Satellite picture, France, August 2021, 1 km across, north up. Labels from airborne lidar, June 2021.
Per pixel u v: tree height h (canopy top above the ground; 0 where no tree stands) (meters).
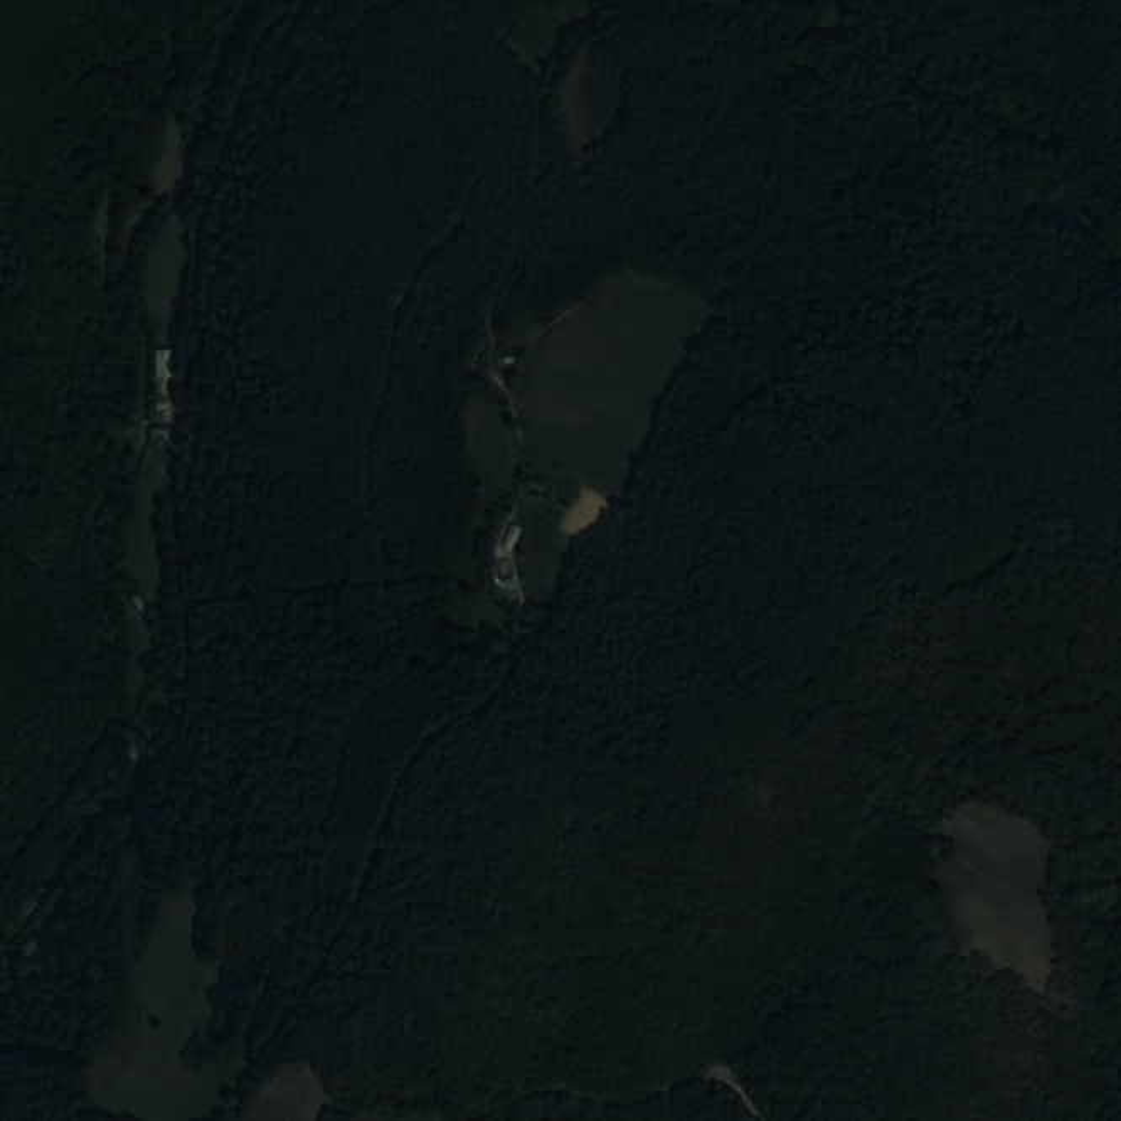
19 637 24
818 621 20
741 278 24
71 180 26
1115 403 21
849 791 16
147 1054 0
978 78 25
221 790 16
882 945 24
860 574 19
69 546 9
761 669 18
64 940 24
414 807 19
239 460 28
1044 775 11
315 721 26
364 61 27
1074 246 25
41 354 22
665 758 21
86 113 23
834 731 15
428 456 26
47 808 15
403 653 29
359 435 23
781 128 23
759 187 24
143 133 24
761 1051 25
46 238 23
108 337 7
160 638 20
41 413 23
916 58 24
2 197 26
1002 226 23
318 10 26
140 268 21
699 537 24
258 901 19
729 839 18
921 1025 13
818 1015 26
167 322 0
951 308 13
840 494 22
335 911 17
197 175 31
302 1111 0
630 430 0
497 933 17
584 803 15
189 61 27
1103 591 9
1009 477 20
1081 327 24
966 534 21
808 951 27
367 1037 19
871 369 22
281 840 19
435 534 25
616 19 23
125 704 18
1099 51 24
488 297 15
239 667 16
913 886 22
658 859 20
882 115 21
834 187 16
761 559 22
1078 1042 14
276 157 22
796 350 17
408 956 19
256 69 18
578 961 20
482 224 19
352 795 15
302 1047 20
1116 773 11
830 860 20
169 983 0
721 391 15
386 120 26
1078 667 8
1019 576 7
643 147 19
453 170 25
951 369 22
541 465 0
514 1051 19
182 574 20
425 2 24
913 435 24
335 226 19
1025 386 22
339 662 23
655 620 24
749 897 17
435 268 14
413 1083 16
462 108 23
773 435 22
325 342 20
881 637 6
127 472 18
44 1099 21
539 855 14
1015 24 20
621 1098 16
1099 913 10
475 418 0
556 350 0
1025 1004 11
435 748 16
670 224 23
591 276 21
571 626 19
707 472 27
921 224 21
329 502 24
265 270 28
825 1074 17
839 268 15
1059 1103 13
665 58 26
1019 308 19
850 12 23
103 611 7
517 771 19
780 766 13
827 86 19
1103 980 12
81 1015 24
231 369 29
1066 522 8
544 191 14
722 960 18
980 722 8
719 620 24
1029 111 19
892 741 11
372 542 24
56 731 22
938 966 13
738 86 24
